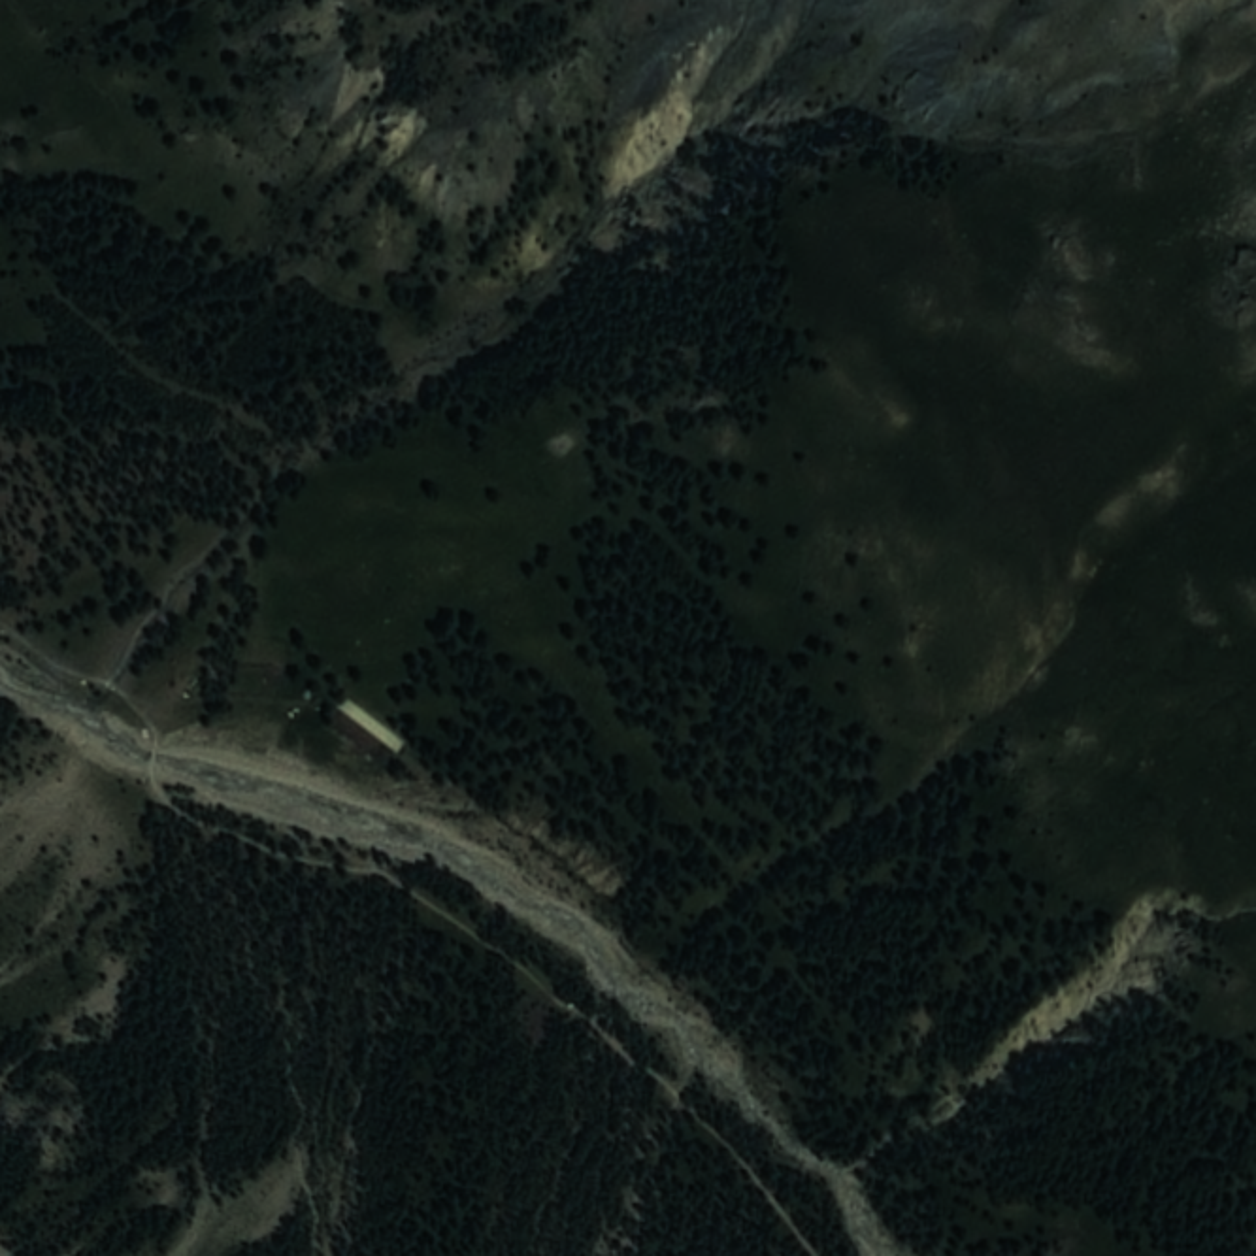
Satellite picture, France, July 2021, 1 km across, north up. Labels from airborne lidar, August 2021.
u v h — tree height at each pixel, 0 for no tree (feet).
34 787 0
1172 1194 81
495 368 72
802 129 32
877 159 49
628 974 0
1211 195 0
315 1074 33
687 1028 0
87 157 0
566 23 33
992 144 0
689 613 69
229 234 0
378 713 0
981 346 0
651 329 33
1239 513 0
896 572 0
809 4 0
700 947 68
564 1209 48
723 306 37
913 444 0
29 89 0
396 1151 51
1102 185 0
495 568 0
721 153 35
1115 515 0
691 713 53
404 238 0
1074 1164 53
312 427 39
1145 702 0
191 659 0
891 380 0
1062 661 0
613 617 49
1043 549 0
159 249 78
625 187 0
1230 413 0
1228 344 0
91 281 50
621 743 0
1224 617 0
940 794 70
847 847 64
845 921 64
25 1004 0
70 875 0
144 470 42
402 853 0
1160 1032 30
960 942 59
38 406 70
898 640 0
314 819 0
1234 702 0
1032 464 0
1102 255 0
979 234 0
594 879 0
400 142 0
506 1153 20
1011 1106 49
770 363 58
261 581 0
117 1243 44
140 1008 49
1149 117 0
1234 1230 58
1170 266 0
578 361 45
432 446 0
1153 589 0
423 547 0
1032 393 0
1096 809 0
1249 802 0
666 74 0
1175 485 0
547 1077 49
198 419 20
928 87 0
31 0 0
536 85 0
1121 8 0
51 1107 22
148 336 52
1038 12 0
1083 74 0
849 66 0
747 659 68
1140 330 0
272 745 0
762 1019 35
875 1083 45
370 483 0
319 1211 30
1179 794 0
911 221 0
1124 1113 64
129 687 0
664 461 64
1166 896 0
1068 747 0
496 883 0
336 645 0
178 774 0
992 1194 30
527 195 51
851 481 0
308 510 0
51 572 44
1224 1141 69
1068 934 44
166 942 52
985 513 0
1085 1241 0
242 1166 58
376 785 0
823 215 0
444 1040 35
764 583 0
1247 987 0
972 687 0
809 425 0
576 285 40
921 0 0
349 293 0
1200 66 0
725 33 0
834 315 0
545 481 0
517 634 0
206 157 0
